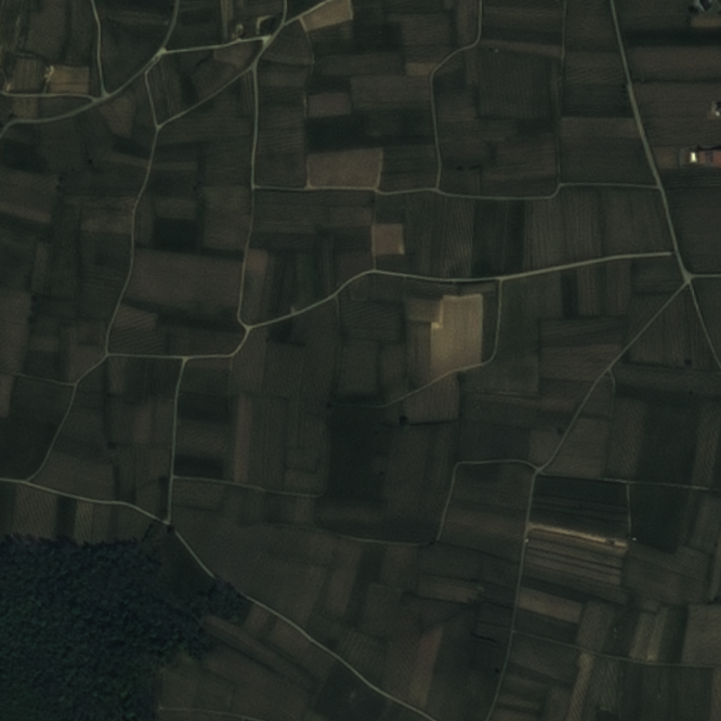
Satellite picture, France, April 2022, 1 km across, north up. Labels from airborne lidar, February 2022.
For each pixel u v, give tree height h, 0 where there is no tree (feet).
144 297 0
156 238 0
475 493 0
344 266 0
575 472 0
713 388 0
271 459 0
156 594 29
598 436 0
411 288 0
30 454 0
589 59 0
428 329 0
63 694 31
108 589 72
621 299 0
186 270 0
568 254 0
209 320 0
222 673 0
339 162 0
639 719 0
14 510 0
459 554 0
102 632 40
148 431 0
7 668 27
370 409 0
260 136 0
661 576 0
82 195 0
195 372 0
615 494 0
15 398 0
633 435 0
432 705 0
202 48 0
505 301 0
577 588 0
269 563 0
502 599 0
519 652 0
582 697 0
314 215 0
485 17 0
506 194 0
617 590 0
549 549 0
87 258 0
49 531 0
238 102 0
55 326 0
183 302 0
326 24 0
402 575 0
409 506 0
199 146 0
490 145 0
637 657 0
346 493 0
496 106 0
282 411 0
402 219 0
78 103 0
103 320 0
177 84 0
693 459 0
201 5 0
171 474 0
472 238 0
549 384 0
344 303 0
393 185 0
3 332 0
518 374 0
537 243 0
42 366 0
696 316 0
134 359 0
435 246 0
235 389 0
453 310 0
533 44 0
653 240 0
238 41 0
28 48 0
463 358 0
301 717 0
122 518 0
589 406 0
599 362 0
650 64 0
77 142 0
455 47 0
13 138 0
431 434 0
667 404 0
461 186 0
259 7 0
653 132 0
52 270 0
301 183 0
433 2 0
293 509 0
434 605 0
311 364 0
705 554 0
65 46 0
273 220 0
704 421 0
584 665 0
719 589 0
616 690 0
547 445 0
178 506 0
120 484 0
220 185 0
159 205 0
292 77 0
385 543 0
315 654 0
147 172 0
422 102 0
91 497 0
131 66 0
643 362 0
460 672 0
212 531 0
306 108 0
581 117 0
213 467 0
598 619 0
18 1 0
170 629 65
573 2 0
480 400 0
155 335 0
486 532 0
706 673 0
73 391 0
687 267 0
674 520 0
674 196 0
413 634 0
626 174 0
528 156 0
